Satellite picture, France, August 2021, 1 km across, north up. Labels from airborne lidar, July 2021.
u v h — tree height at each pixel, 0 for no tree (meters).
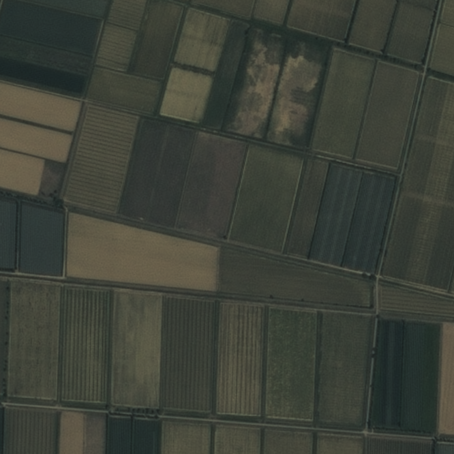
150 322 0
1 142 0
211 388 0
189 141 0
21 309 0
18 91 0
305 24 0
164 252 0
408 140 0
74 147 0
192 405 0
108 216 0
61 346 0
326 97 0
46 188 0
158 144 0
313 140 0
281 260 0
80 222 0
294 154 0
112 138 0
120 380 0
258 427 0
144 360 0
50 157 0
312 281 0
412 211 0
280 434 0
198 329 0
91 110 0
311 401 0
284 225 0
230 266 0
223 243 0
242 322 0
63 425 0
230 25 0
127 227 0
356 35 0
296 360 0
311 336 0
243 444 0
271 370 0
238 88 0
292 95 0
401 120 0
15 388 0
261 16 0
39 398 0
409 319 0
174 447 0
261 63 0
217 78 0
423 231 0
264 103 0
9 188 0
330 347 0
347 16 0
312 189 0
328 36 0
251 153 0
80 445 0
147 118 0
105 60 0
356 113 0
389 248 0
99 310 0
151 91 0
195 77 0
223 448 0
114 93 0
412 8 0
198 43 0
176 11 0
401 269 0
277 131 0
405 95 0
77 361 0
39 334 0
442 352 0
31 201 14
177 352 0
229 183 0
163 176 0
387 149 0
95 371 0
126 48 0
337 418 0
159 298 0
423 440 0
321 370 0
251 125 0
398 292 0
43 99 0
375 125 0
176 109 0
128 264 0
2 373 0
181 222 0
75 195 0
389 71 0
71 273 0
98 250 0
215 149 0
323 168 0
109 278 0
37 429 0
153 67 0
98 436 0
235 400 0
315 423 0
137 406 0
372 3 0
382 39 0
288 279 0
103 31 0
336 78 0
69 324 0
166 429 0
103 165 0
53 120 0
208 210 0
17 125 0
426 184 0
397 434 0
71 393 0
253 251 0
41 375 0
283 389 0
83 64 0
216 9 0
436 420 0
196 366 0
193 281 0
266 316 0
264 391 0
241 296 0
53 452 0
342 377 0
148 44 0
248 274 0
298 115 0
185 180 0
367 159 0
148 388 0
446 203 0
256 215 0
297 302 0
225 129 0
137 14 0
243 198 0
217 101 0
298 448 0
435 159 0
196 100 0
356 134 0
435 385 0
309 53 0
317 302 0
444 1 0
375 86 0
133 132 0
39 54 0
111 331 0
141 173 0
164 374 0
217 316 0
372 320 0
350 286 0
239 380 0
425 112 0
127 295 0
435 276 0
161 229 0
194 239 0
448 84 0
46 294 0
